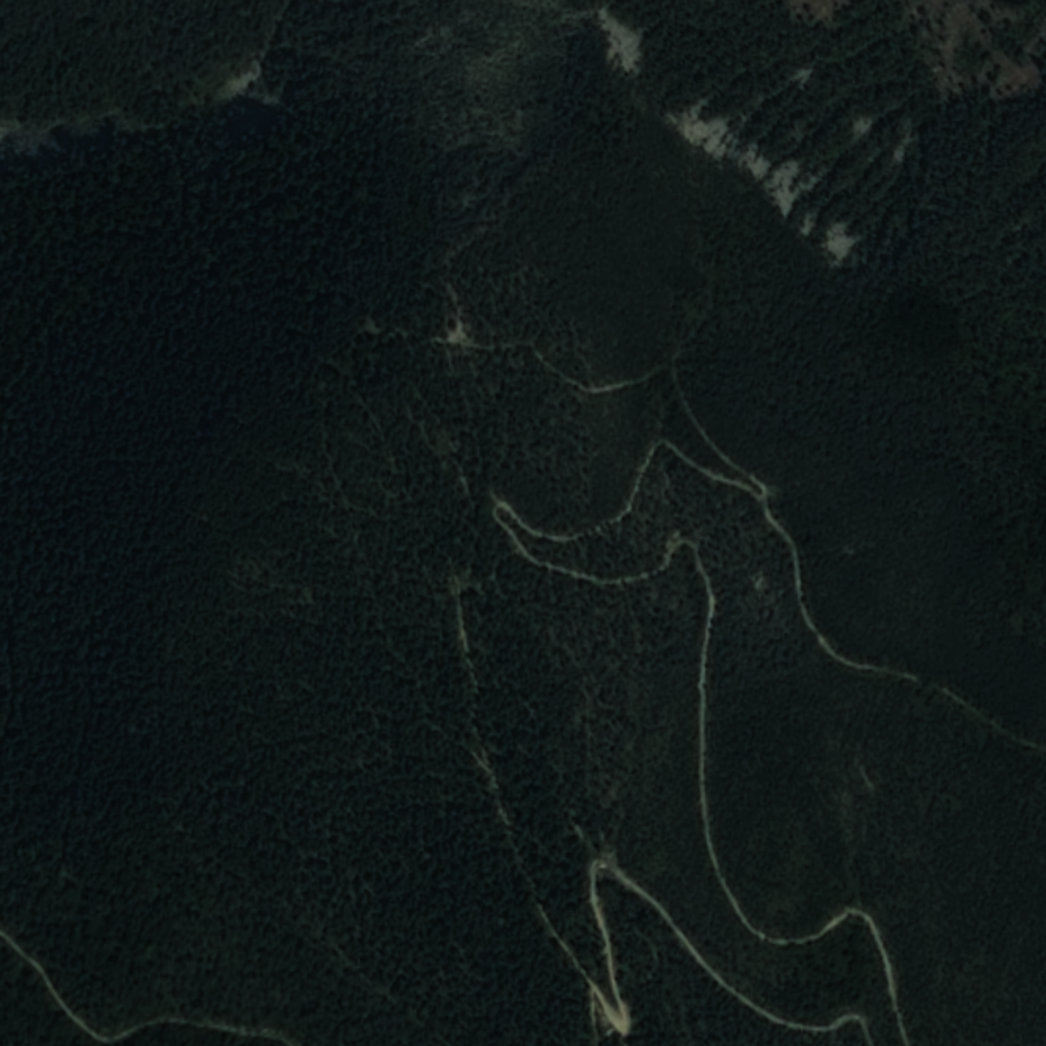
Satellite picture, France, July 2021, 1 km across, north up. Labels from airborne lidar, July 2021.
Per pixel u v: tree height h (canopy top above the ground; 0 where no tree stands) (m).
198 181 24
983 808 6
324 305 29
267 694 9
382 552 15
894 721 6
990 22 14
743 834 6
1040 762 7
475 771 17
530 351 10
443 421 12
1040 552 14
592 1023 15
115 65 14
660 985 13
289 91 9
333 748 11
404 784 16
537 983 17
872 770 7
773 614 6
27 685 23
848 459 8
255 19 12
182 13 15
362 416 12
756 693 5
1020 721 9
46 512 28
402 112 13
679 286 11
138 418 29
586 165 8
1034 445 19
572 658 15
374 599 16
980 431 10
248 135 23
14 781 23
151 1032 11
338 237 21
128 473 29
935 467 9
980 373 14
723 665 7
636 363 9
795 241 8
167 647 18
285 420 19
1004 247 9
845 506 8
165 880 12
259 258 21
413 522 11
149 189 25
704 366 9
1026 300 14
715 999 15
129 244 33
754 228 6
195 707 19
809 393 11
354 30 10
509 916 26
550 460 8
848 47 11
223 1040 15
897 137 13
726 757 6
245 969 8
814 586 7
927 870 7
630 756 10
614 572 6
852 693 6
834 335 9
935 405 11
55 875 20
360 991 16
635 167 8
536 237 8
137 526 28
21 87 15
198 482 23
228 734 20
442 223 10
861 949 9
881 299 13
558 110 7
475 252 9
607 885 13
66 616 21
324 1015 13
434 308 17
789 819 6
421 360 15
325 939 14
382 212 27
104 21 18
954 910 5
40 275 26
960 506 9
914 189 7
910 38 13
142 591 25
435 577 9
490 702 18
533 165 8
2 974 23
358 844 11
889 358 11
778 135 10
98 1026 9
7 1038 10
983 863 5
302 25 8
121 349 32
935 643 8
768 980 7
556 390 8
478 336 7
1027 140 7
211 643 10
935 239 16
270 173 23
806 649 8
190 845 15
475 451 10
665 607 6
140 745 25
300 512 20
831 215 9
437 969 19
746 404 12
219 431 22
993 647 10
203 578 18
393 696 23
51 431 30
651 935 18
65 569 28
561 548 8
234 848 16
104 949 13
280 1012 13
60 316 34
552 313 9
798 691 7
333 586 14
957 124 15
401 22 11
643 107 6
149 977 10
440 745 18
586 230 6
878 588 6
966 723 7
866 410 11
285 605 10
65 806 26
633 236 9
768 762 6
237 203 30
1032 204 12
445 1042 15
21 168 8
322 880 16
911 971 6
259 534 14
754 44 11
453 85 6
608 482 7
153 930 14
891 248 9
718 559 12
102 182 23
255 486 19
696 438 9
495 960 14
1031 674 11
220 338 31
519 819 23
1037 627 7
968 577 8
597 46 7
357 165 11
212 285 21
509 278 7
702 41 13
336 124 17
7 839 23
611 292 8
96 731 27
